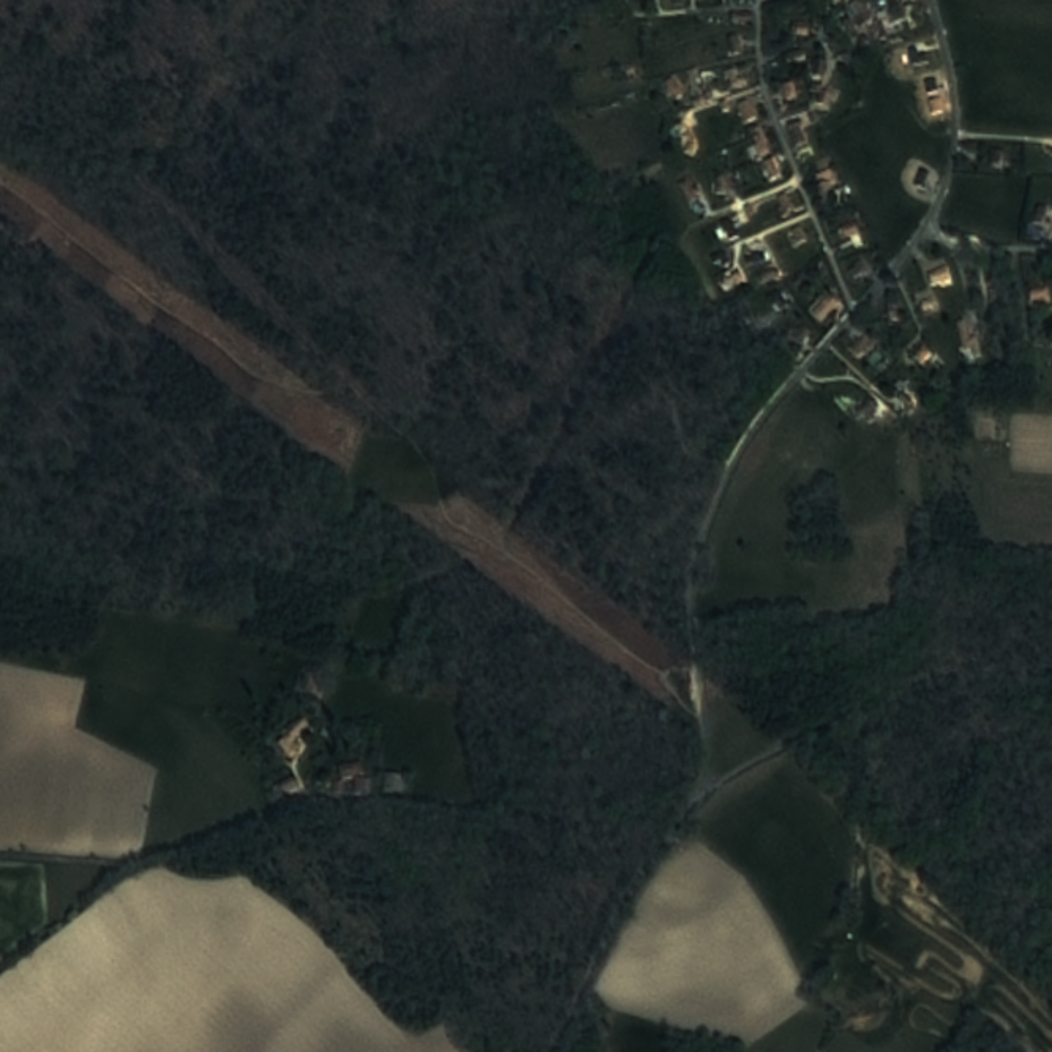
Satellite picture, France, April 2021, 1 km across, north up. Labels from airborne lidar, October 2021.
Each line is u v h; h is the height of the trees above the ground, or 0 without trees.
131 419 16
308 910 14
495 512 13
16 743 0
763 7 7
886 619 18
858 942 0
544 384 17
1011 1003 0
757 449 0
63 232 0
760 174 6
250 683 0
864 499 0
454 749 0
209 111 14
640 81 0
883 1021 0
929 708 22
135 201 20
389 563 17
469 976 13
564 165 22
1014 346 21
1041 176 0
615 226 15
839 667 17
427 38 15
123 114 20
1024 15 0
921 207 0
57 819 0
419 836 18
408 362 16
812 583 0
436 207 20
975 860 19
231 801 0
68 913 8
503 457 18
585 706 18
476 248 16
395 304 17
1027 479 0
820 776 23
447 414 21
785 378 18
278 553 12
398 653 16
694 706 0
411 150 13
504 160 14
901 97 0
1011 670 20
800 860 0
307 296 14
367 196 18
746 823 0
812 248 0
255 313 14
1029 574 24
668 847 12
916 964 0
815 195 12
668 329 16
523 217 18
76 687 0
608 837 12
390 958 12
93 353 13
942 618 24
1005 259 13
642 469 22
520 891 13
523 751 16
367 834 20
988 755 21
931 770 15
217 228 18
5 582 21
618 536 21
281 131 15
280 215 26
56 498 18
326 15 17
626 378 24
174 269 17
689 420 15
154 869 13
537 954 7
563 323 25
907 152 0
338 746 26
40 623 21
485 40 7
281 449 22
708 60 0
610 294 15
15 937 0
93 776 0
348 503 14
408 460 0
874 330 6
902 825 14
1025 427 0
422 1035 11
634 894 16
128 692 0
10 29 9
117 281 0
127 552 20
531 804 19
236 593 25
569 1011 13
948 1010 0
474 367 9
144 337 15
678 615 18
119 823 0
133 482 25
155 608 19
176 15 16
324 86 13
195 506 21
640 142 0
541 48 20
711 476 18
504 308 15
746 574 0
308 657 20
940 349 0
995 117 0
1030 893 20
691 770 23
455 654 27
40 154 19
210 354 0
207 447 25
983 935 17
